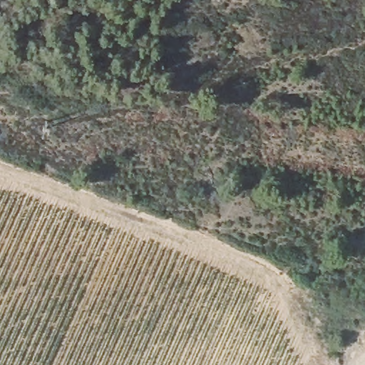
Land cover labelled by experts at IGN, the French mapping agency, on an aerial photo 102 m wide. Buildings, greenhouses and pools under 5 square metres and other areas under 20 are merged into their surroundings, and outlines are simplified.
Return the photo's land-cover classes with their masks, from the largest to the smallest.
<instances>
[{"label":"herbaceous vegetation","instance_id":"1","mask_svg":"<svg viewBox=\"0 0 365 365\"><path fill-rule=\"evenodd\" d=\"M88 0H0V14L6 16L4 23L9 24L10 33L16 37L17 48L14 54L20 60L27 61V47L30 41L36 44L37 54H40V48L46 44L41 13L48 16V6L54 7L56 41L61 43L60 51L68 53L70 47H74V53L71 54V58H64V64L77 70L76 87L70 97L50 96L46 81L41 80L37 81V86L26 84L19 90L7 84H0V160L50 178L56 171L73 174L78 167H84V182H93L91 191L100 197L123 204L127 200V194L131 192L133 205L137 210L165 220H173L188 230L215 235L218 240L227 242L231 247L268 259L275 267L287 272L288 277L292 279L299 275L307 281H314L321 275L319 255L322 254V238L338 241L339 254L344 261H349L344 269H334L335 274H358V268H365V0H282L284 3L281 7L269 6V9L252 13L248 7L254 0H170L171 9L165 10V16L158 24V34H153L150 30V11L160 10V3L163 0H110L113 3L114 14L123 19V24H117L114 20L107 19L104 14L88 7ZM130 19L137 24L133 37L127 38V46H120L113 34H108L106 48L100 46L101 31L106 24L125 33ZM76 33L87 40V57L93 63L90 76L97 77V81L106 84L107 90H111V84L117 83V94H111L108 98L97 97L94 93L83 96L81 88L84 67L81 66L78 57V43L74 37ZM143 36L147 37V43L158 40L157 51L160 58L155 61L151 71L154 74L170 73L168 94L151 88L150 94L155 98L148 104L145 103L143 96V88L148 80L137 83L130 80L135 61L145 67L151 60L147 54L144 58H140L138 54L137 41ZM202 88H212L215 103H218V107L212 110V120H198L197 111L188 107L190 94L198 93ZM322 90H328L338 100L336 104L342 118L354 121L351 130L339 127L332 133L322 125L308 127L307 118L301 117L305 114V107H311V98L308 94L319 97ZM265 165H272L271 175L278 181L277 190L282 201L268 204L264 215H255L251 207V202H254L251 191L252 188L258 187ZM231 173L235 175V185L234 190L228 194L234 195V198L220 207L215 188L218 185L224 187ZM336 190L341 194L338 200L339 210L334 218H327L324 202L332 201V195ZM355 325L351 331H341V345L346 346L354 344L359 329L365 331V324L359 327V319H354Z\"/></svg>","mask_w":365,"mask_h":365},{"label":"vineyard","instance_id":"2","mask_svg":"<svg viewBox=\"0 0 365 365\"><path fill-rule=\"evenodd\" d=\"M84 167H78L73 174L56 171L50 178L0 160V365H365V331L359 329L354 344L346 346L345 354L331 351L328 354L327 349L319 346L317 334L322 331V322L327 319V307L315 304L314 299L309 297V289L295 284L292 279L288 277L287 272L275 267L268 259L231 247L227 242L218 240L215 235L188 230L173 220H165L137 210L133 205L131 192L127 194V200L123 204L100 197L91 191L93 182H84Z\"/></svg>","mask_w":365,"mask_h":365},{"label":"deciduous trees","instance_id":"3","mask_svg":"<svg viewBox=\"0 0 365 365\"><path fill-rule=\"evenodd\" d=\"M88 7L104 14L107 19L114 20L117 24H123V19L114 14L113 3L110 0H88ZM171 9L170 0H163L160 3V10L150 11V30L153 34H158V24L165 16V10ZM284 3L282 0H254L248 7L252 13L269 9V6L281 7ZM54 7L48 6V16L41 13L46 44L40 48V54H37L36 44L30 41L27 47V61L20 60L14 54L17 48L16 37L10 33L9 24L4 23L6 16L0 14V84H7L19 90L26 84L37 86V81L41 80L46 81L50 96L70 97L76 87L77 70L64 64V58H71V54L74 53V47H70L68 53L60 51L61 43L56 41ZM137 24L130 19L125 33L106 24L101 31L100 46L106 48L108 34H113L120 46H127V38L133 37ZM74 37L78 43V57L81 66L84 67L81 88L83 96L94 93L97 97L108 98L111 94H117V83L111 84V90H107L106 84L97 81V77L90 76L93 63L87 57V40L76 33ZM138 54L140 58H144L147 54L151 60L145 67L135 61L130 80L137 83L148 80L143 88V96L145 103L148 104L155 98L150 94L151 88L168 94L170 73L154 74L151 71L155 61L160 58L157 51L158 40L147 43V37L143 36L137 41ZM188 107L197 111L198 120H212V110L218 107V103H215L212 88H202L198 93L190 94ZM311 98V107H305V114L301 117L307 118L308 127L322 125L332 133L339 127L351 130L354 121L342 118L336 104L338 100L328 90H322L319 97L308 94ZM272 165H265L258 187L252 188L251 191L254 202H251V207L255 215H264L268 204L282 201L277 190L278 181L271 175ZM235 175L231 173L224 187L218 185L215 188L220 207L234 198V195L228 194L234 190L235 185ZM341 194L336 190L332 195V201L324 202L327 218H334L339 210L338 200ZM321 275L314 281H307L299 275L292 279L295 284L309 289V297L314 299L315 304L327 307V319L322 322V331L317 334L319 346L327 349L328 354L331 351L345 354L346 346L341 345V331H351L355 325L354 319H359V327L365 324V268H358V274H335L334 269H344L349 261H344L339 254L338 241L322 238V254L319 255Z\"/></svg>","mask_w":365,"mask_h":365}]
</instances>
